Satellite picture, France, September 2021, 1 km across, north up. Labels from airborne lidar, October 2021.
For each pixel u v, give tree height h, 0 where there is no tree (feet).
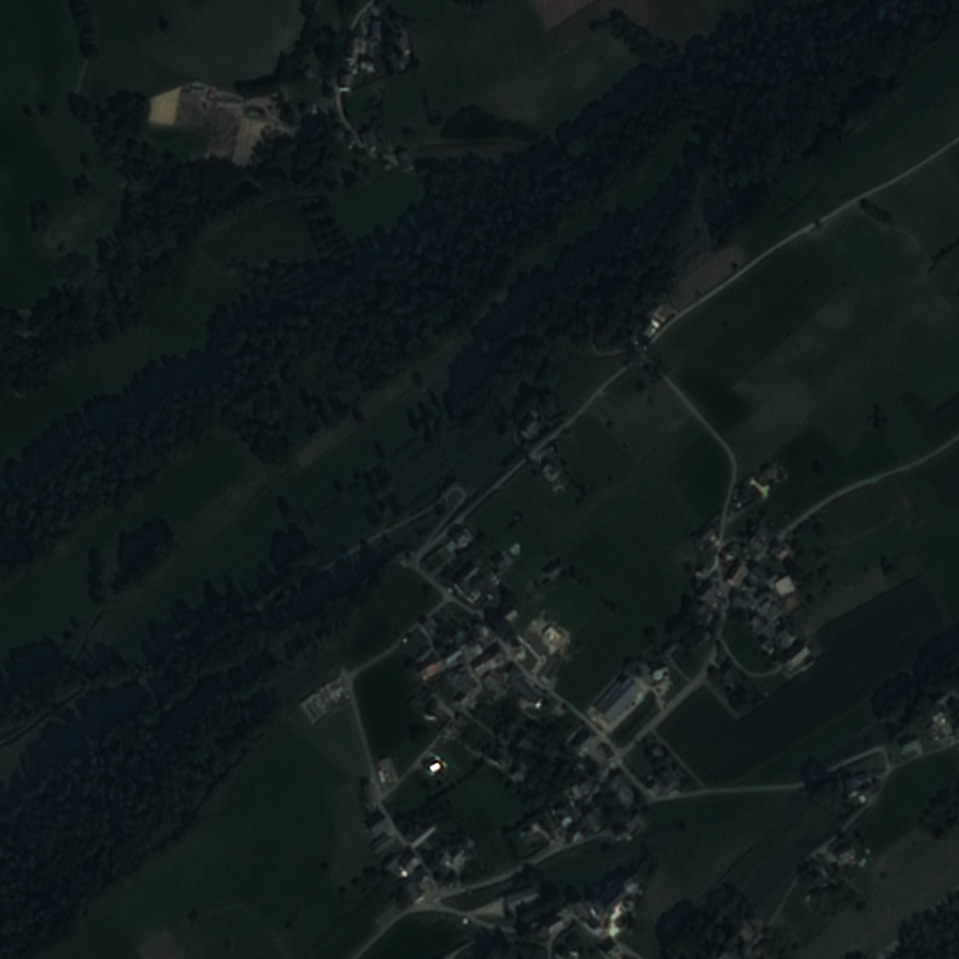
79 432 0
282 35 0
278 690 0
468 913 0
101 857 97
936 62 0
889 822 0
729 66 25
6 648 0
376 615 0
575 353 38
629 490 0
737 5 0
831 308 0
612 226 0
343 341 62
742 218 61
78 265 0
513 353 92
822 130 43
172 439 91
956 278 0
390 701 0
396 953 0
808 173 0
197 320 0
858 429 0
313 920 0
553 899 59
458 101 0
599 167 79
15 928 100
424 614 0
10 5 0
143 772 93
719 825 0
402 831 36
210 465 0
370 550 0
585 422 0
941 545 0
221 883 0
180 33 0
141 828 86
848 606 0
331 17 0
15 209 0
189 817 37
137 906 0
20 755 0
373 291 82
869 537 0
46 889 69
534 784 38
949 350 0
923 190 0
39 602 0
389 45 41
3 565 23
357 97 0
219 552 0
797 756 0
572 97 0
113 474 68
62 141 0
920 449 0
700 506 0
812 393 0
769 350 0
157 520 0
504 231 65
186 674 73
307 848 0
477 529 0
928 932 71
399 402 0
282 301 63
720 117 85
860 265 0
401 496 0
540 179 94
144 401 0
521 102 0
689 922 53
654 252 57
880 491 0
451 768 0
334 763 0
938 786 0
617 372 0
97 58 50
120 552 0
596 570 0
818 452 0
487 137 35
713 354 0
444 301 79
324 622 79
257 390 75
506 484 0
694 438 0
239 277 53
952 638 0
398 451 0
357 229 0
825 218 0
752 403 0
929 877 0
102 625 0
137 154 43
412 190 0
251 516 0
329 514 0
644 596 0
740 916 22
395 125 0
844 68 91
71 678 85
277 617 0
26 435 0
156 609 0
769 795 0
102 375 0
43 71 0
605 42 0
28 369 80
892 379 0
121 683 57
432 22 0
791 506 0
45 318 64
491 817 0
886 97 40
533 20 0
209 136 0
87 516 70
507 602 27
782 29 82
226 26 0
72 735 0
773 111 92
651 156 54
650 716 0
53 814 64
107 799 104
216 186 72
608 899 0
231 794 0
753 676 0
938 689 67
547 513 0
